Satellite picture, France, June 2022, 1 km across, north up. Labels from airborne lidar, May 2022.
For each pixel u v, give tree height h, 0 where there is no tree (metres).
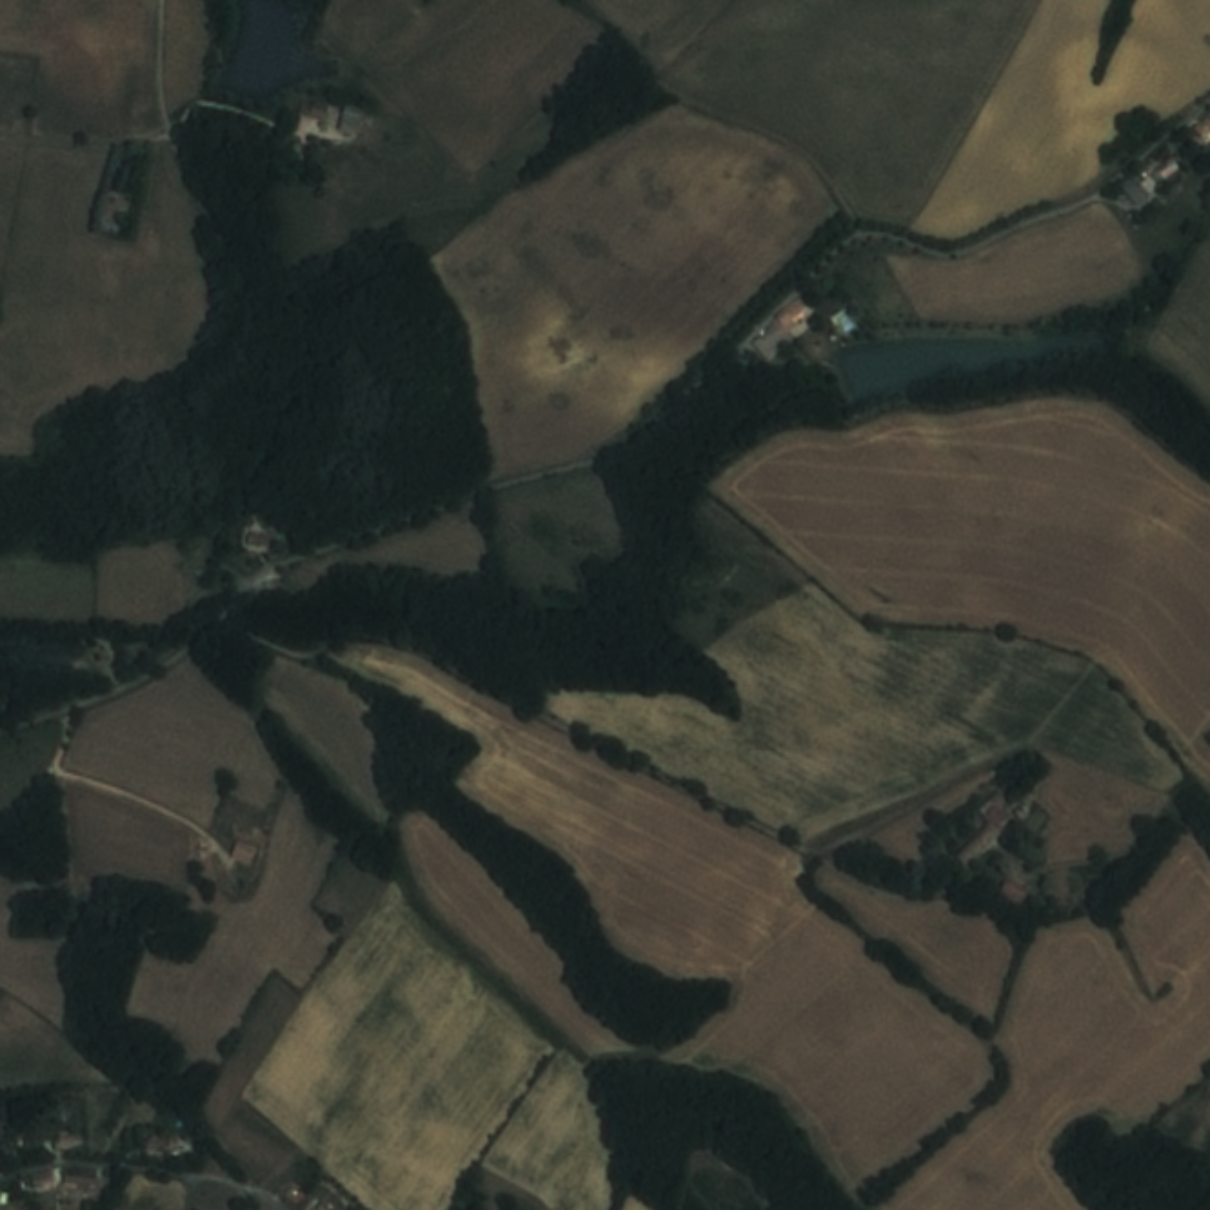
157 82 0
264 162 15
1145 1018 0
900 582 0
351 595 6
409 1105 0
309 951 0
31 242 0
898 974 17
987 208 0
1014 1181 0
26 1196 5
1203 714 0
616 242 0
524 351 0
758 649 0
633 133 0
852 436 0
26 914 12
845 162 0
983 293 0
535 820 0
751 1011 0
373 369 15
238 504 21
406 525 10
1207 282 0
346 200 0
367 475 21
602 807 0
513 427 0
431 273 14
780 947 0
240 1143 0
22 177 0
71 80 0
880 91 0
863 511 0
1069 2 0
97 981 14
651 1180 24
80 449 12
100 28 0
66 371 0
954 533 0
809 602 0
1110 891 18
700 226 0
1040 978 0
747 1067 0
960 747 0
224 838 0
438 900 0
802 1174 17
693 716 0
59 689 19
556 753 0
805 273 8
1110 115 0
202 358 18
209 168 22
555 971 0
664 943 0
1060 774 0
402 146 0
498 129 0
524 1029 0
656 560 22
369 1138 0
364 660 0
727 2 0
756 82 0
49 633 17
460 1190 9
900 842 0
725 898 0
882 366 0
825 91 0
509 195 0
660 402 8
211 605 16
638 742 0
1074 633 0
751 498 0
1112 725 0
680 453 23
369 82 0
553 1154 0
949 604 0
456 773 15
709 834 0
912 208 0
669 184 0
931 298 0
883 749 0
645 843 0
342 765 0
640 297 0
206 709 0
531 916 12
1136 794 0
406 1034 0
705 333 0
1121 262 0
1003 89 0
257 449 25
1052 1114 0
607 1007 14
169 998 0
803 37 0
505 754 0
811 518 0
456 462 18
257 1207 13
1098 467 0
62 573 0
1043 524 0
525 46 0
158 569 0
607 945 13
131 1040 20
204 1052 0
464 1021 0
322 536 17
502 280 0
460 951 0
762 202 0
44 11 0
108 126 0
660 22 0
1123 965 0
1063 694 0
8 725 13
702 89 0
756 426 13
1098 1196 9
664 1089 21
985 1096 12
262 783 0
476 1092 0
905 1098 0
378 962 0
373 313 22
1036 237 0
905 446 0
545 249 0
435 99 0
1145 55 0
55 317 0
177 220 0
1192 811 12
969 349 0
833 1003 0
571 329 0
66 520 14
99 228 11
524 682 19
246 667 19
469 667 16
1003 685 0
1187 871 0
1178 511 0
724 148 0
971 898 21
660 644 20
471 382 15
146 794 0
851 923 9
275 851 0
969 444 0
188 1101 17
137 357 0
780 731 0
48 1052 0
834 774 0
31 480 16
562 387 0
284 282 27
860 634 0
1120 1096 0
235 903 0
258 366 21
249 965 0
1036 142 0
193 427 14
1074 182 0
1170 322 0
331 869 9
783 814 0
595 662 16
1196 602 0
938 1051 0
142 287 0
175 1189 0
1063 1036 0
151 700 0
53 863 16
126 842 0
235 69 0
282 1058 0
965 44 0
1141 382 20
